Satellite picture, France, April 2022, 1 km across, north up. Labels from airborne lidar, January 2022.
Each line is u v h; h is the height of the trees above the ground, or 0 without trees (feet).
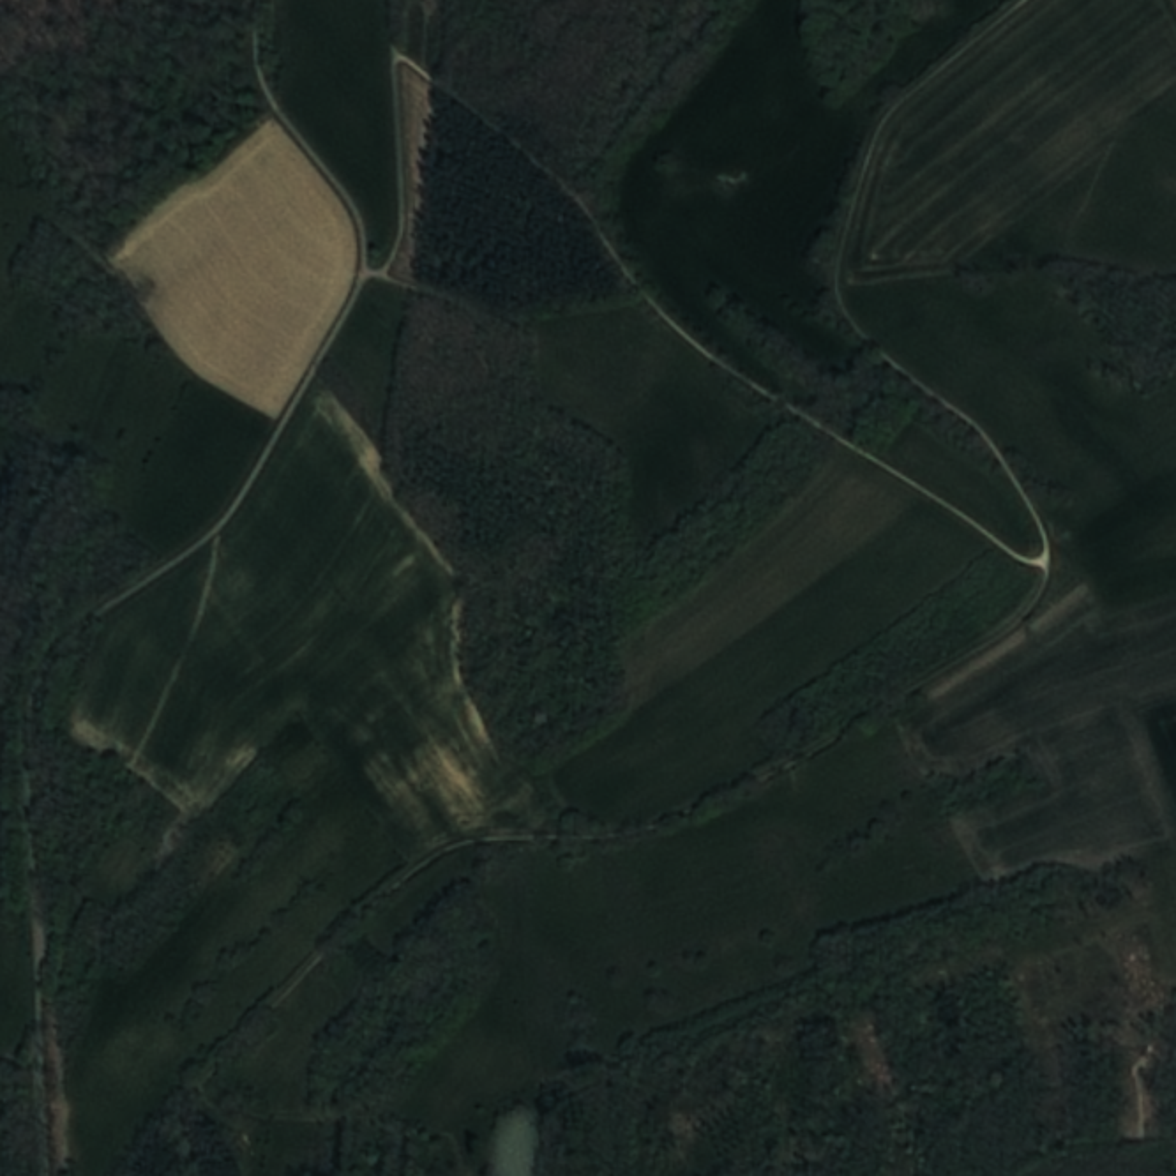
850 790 0
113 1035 0
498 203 76
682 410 0
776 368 52
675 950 0
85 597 75
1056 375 0
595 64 58
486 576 66
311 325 0
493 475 58
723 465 0
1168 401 0
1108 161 0
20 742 52
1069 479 0
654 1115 39
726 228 0
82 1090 0
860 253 0
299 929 0
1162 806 0
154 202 72
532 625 50
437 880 0
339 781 0
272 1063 0
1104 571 0
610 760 0
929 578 0
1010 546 0
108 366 0
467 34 36
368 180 0
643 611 49
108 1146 0
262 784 24
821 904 0
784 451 50
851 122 0
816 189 0
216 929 0
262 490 0
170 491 0
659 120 64
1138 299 57
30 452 70
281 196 0
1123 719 0
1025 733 0
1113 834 0
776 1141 46
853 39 84
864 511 0
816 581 0
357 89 0
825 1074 75
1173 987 0
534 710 66
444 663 0
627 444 0
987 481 0
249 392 0
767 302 0
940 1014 54
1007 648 0
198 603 0
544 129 59
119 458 0
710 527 59
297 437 0
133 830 44
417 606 0
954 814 25
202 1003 47
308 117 0
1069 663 0
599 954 0
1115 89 0
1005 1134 62
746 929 0
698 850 0
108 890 0
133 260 0
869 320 0
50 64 87
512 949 0
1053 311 0
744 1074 52
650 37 54
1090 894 56
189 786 0
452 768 0
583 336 0
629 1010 0
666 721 0
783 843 0
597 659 49
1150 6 0
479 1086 0
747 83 0
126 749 0
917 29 49
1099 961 0
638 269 40
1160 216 0
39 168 51
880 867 0
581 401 0
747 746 0
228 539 0
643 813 0
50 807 55
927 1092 40
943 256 0
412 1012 69
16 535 82
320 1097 51
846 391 58
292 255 0
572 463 57
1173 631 0
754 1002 30
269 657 0
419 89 0
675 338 0
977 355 0
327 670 0
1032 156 0
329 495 0
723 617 0
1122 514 0
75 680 42
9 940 0
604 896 0
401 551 0
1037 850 0
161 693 0
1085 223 0
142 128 73
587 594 63
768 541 0
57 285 67
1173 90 0
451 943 89
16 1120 58
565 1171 69
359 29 0
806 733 57
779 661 0
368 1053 52
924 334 0
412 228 0
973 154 0
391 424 43
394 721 0
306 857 0
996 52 0
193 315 0
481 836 0
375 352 0
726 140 0
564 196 74
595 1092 66
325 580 0
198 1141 70
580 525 55
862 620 0
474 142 57
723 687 0
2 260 0
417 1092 0
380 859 0
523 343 53
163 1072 0
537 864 0
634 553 51
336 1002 0
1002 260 0
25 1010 0
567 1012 20
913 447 0
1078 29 0
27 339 0
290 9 0
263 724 0
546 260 67
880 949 67
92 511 81
